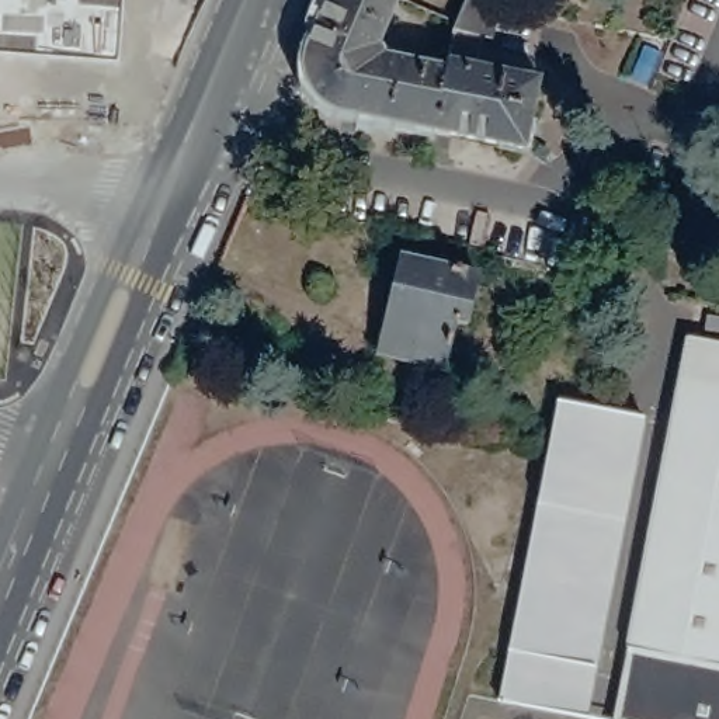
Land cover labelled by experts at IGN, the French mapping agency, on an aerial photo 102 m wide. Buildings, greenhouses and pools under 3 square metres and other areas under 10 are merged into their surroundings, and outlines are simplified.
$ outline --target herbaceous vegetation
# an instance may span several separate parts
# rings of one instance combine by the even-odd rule
[[[452,34],[463,0],[396,0],[393,14],[399,22],[390,22],[385,34],[390,48],[427,56],[458,53],[472,59],[489,59],[497,84],[506,65],[525,67],[528,53],[522,48],[522,37],[497,31],[492,39]]]
[[[438,494],[447,520],[458,536],[463,559],[463,621],[433,719],[514,719],[522,708],[500,705],[500,685],[545,461],[534,458],[525,463],[525,458],[511,452],[480,452],[455,444],[418,444],[410,433],[402,430],[399,418],[385,418],[379,427],[371,430],[385,447],[390,447],[404,463],[410,463]]]
[[[494,152],[475,143],[449,143],[449,157],[455,160],[455,169],[486,177],[517,180],[528,171],[531,160],[511,149]]]
[[[65,242],[45,227],[34,227],[20,329],[22,345],[34,345],[34,340],[39,340],[59,284],[67,272]]]
[[[379,357],[385,371],[393,374],[396,404],[404,404],[407,382],[416,374],[413,362],[396,362],[385,351]]]
[[[680,202],[680,222],[674,230],[677,256],[666,261],[663,281],[652,278],[652,272],[643,267],[635,270],[629,275],[629,289],[640,295],[640,323],[646,331],[654,334],[652,312],[657,312],[657,303],[652,298],[652,289],[677,284],[682,278],[682,264],[705,264],[719,256],[719,213],[711,211],[699,194],[694,194],[685,185],[685,171],[668,154],[663,157],[663,163],[668,191]]]
[[[559,399],[590,402],[593,393],[584,393],[579,385],[567,382],[573,368],[565,362],[565,351],[550,354],[522,382],[506,382],[503,390],[508,396],[525,393],[531,404],[542,407],[539,418],[550,427]]]
[[[368,281],[357,261],[357,247],[368,244],[365,219],[360,219],[354,230],[345,236],[326,233],[312,244],[286,247],[289,227],[284,222],[253,219],[250,211],[261,202],[247,197],[230,233],[227,250],[222,256],[222,270],[233,272],[236,284],[244,292],[261,292],[272,306],[278,306],[278,312],[295,323],[303,340],[298,348],[292,348],[286,362],[301,371],[343,374],[345,368],[371,365],[376,354],[388,295],[402,250],[418,250],[430,256],[444,256],[452,264],[466,264],[469,244],[461,236],[447,236],[441,230],[430,242],[393,239],[388,247],[382,247],[376,275]],[[301,272],[306,261],[320,261],[334,270],[340,292],[331,303],[317,306],[303,292]]]
[[[573,34],[579,51],[579,56],[573,59],[576,67],[584,62],[587,67],[624,81],[626,73],[618,70],[618,65],[626,48],[635,37],[646,42],[652,31],[640,20],[643,14],[649,14],[649,6],[643,6],[646,0],[570,0],[570,6],[579,8],[579,17],[553,17],[545,25],[548,31]]]
[[[522,298],[548,298],[550,286],[542,284],[542,278],[548,270],[556,267],[556,258],[550,258],[539,256],[528,264],[525,253],[511,253],[508,258],[503,258],[514,270],[522,270],[522,275],[514,284],[494,289],[492,284],[477,278],[477,289],[472,295],[472,317],[463,329],[458,329],[458,337],[447,357],[455,368],[455,376],[472,379],[477,374],[477,360],[497,357],[506,348],[500,340],[500,306],[508,306]]]
[[[76,621],[70,626],[70,635],[62,646],[62,654],[53,666],[53,674],[48,680],[48,688],[34,719],[48,719],[51,699],[62,682],[73,646],[93,609],[95,593],[124,536],[126,520],[146,483],[149,466],[154,461],[154,452],[171,416],[177,413],[188,424],[199,424],[191,449],[199,449],[222,433],[253,424],[264,410],[244,407],[239,402],[222,404],[213,396],[205,396],[197,388],[194,376],[171,385],[169,402],[143,452],[138,475],[126,492],[118,522],[107,539],[101,562],[93,573],[87,595],[76,612]]]
[[[253,309],[244,309],[242,317],[230,326],[185,317],[174,340],[177,345],[185,345],[188,360],[199,357],[208,348],[205,337],[227,337],[244,348],[244,371],[253,371],[258,365],[261,351],[267,348],[275,334],[258,320],[258,315]]]

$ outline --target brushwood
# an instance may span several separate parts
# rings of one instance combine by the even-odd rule
[[[500,418],[489,418],[483,427],[469,427],[455,444],[480,452],[511,452],[514,438],[500,430]]]

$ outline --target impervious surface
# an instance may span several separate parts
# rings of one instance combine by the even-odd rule
[[[121,6],[126,8],[126,28],[115,34],[118,59],[104,62],[48,56],[48,67],[42,67],[37,79],[37,98],[70,98],[67,110],[79,112],[76,118],[67,118],[67,126],[59,135],[59,143],[70,152],[70,160],[51,166],[51,171],[39,177],[22,174],[20,169],[0,169],[0,719],[34,719],[48,688],[48,680],[53,674],[53,666],[62,654],[62,646],[70,635],[70,626],[76,621],[76,612],[87,595],[93,573],[101,562],[107,539],[118,522],[126,492],[138,475],[143,452],[169,402],[171,385],[166,382],[163,371],[169,371],[174,362],[169,345],[174,340],[185,317],[188,301],[202,301],[213,289],[233,289],[236,284],[233,272],[222,270],[222,256],[227,250],[230,233],[247,197],[244,163],[250,160],[253,149],[278,149],[284,140],[295,140],[303,104],[295,93],[298,45],[309,34],[309,0],[121,0]],[[20,329],[34,227],[45,227],[65,242],[67,272],[59,284],[39,340],[34,340],[34,345],[22,345]]]
[[[410,463],[404,463],[390,447],[385,447],[371,430],[329,427],[323,418],[312,421],[298,404],[281,407],[275,413],[264,410],[253,424],[222,433],[199,449],[191,449],[199,424],[188,424],[177,413],[171,416],[154,452],[154,461],[149,466],[146,483],[126,520],[124,536],[95,593],[93,609],[73,646],[62,682],[51,699],[48,719],[433,719],[463,621],[463,559],[458,536],[447,520],[438,494]]]
[[[674,28],[668,34],[652,31],[646,42],[663,45],[649,84],[635,87],[624,81],[587,67],[584,62],[576,67],[573,59],[579,56],[579,51],[573,34],[548,31],[545,25],[522,28],[522,37],[522,48],[528,53],[525,67],[542,73],[542,93],[536,95],[539,110],[531,118],[528,138],[522,140],[534,149],[531,160],[528,171],[517,180],[486,177],[455,169],[455,160],[449,157],[449,143],[449,138],[427,138],[435,152],[433,171],[413,169],[410,154],[390,154],[388,143],[376,138],[368,140],[365,160],[371,169],[371,194],[357,199],[360,219],[365,219],[368,211],[385,211],[388,205],[393,205],[399,216],[421,219],[421,225],[433,225],[441,230],[447,236],[461,236],[469,244],[486,242],[489,247],[497,247],[503,258],[508,258],[511,253],[525,253],[528,264],[539,256],[550,258],[556,242],[565,239],[573,244],[579,239],[581,216],[590,208],[576,208],[576,197],[595,183],[595,174],[601,169],[615,163],[663,163],[663,157],[668,154],[668,138],[674,138],[682,129],[685,118],[694,110],[719,104],[719,0],[682,0]],[[576,149],[573,143],[562,143],[562,124],[553,115],[553,107],[584,110],[587,104],[593,104],[598,112],[607,112],[609,118],[612,143],[607,149]]]
[[[609,618],[604,629],[601,666],[595,674],[590,702],[595,713],[612,716],[682,345],[685,337],[699,337],[708,329],[708,317],[719,317],[719,312],[702,309],[702,301],[680,298],[677,284],[652,289],[652,298],[657,303],[657,312],[652,312],[654,334],[652,362],[640,371],[635,382],[635,390],[624,402],[612,399],[607,407],[621,407],[646,416],[646,438],[632,492]]]

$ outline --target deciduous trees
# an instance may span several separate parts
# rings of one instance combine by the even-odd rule
[[[719,312],[719,256],[705,264],[682,264],[682,278],[677,284],[680,298],[702,301],[702,309]]]
[[[584,393],[593,393],[590,402],[607,407],[612,399],[624,402],[635,390],[635,382],[621,368],[601,365],[601,348],[579,340],[579,323],[584,317],[590,317],[615,295],[624,295],[629,289],[629,275],[635,270],[643,267],[652,272],[652,278],[663,281],[666,261],[677,256],[674,230],[680,222],[680,202],[668,191],[663,163],[615,163],[601,169],[595,174],[595,183],[576,197],[576,208],[590,208],[581,216],[579,239],[573,244],[565,239],[556,242],[550,258],[556,258],[556,267],[548,270],[542,278],[542,284],[550,286],[548,298],[522,298],[508,306],[500,306],[500,340],[506,348],[497,357],[477,360],[477,374],[472,379],[455,376],[455,368],[447,357],[413,362],[416,374],[407,382],[404,404],[396,404],[393,374],[385,371],[379,357],[376,354],[371,365],[345,368],[343,374],[301,371],[303,382],[295,393],[298,404],[312,421],[323,418],[329,427],[371,430],[379,427],[385,418],[399,418],[402,430],[410,433],[418,444],[455,444],[469,427],[483,427],[489,418],[500,418],[500,430],[514,438],[511,452],[525,458],[525,463],[534,458],[545,461],[550,427],[539,418],[542,407],[531,404],[525,393],[508,396],[503,390],[506,382],[522,382],[550,354],[565,351],[565,362],[573,368],[567,382],[579,385]]]
[[[286,247],[312,244],[326,233],[345,236],[354,230],[360,219],[357,199],[371,194],[371,169],[365,160],[368,140],[365,132],[337,132],[320,118],[317,110],[303,104],[295,140],[284,140],[278,149],[253,149],[250,160],[244,163],[247,197],[261,202],[250,211],[253,219],[284,222],[289,227]]]
[[[388,143],[390,154],[410,154],[413,169],[433,171],[435,152],[427,138],[399,135]]]
[[[171,385],[194,376],[197,388],[205,396],[213,396],[222,404],[239,402],[239,396],[247,393],[253,385],[253,371],[244,371],[244,348],[227,337],[205,337],[208,348],[199,357],[188,360],[185,345],[177,345],[174,340],[169,345],[174,362],[169,371],[163,371],[166,382]]]
[[[393,205],[388,205],[385,211],[368,211],[365,219],[368,244],[357,247],[357,261],[368,281],[376,275],[382,247],[388,247],[393,239],[430,242],[441,230],[433,225],[421,225],[421,219],[399,216]]]
[[[301,272],[303,292],[317,306],[331,303],[340,292],[334,270],[320,261],[306,261]]]
[[[278,362],[286,362],[292,348],[298,348],[303,340],[295,323],[278,312],[278,306],[272,306],[258,315],[258,320],[275,334],[267,348],[275,351]]]
[[[626,48],[618,65],[618,70],[626,73],[624,81],[635,87],[649,84],[663,45],[646,42],[635,37]]]
[[[514,284],[522,275],[522,270],[514,270],[503,258],[497,247],[489,247],[486,242],[469,244],[466,264],[480,270],[477,278],[492,284],[494,289]]]
[[[570,0],[472,0],[486,28],[497,31],[522,37],[522,28],[545,25],[553,17],[579,17],[579,8],[570,6]]]
[[[643,6],[649,6],[649,14],[643,14],[640,20],[652,31],[668,34],[674,28],[682,0],[646,0]]]

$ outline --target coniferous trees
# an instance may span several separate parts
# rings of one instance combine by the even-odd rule
[[[624,295],[615,295],[590,317],[584,317],[579,323],[579,340],[601,348],[601,365],[621,368],[635,382],[640,371],[652,362],[654,334],[646,331],[640,323],[640,295],[629,289]]]
[[[233,289],[213,289],[202,301],[188,301],[185,317],[230,326],[242,317],[244,309],[253,309],[258,315],[272,306],[261,292],[244,292],[236,284]]]
[[[264,410],[275,413],[281,407],[298,404],[295,393],[303,382],[301,371],[286,362],[278,362],[275,351],[267,348],[261,351],[258,365],[253,371],[253,385],[247,393],[239,396],[239,402],[244,407]]]
[[[694,110],[685,118],[682,129],[674,138],[668,138],[668,154],[685,171],[685,185],[694,194],[699,194],[711,211],[719,213],[719,104]]]
[[[609,118],[607,112],[598,112],[593,104],[587,104],[584,110],[553,107],[553,115],[562,124],[562,143],[573,143],[576,149],[607,149],[612,143]]]

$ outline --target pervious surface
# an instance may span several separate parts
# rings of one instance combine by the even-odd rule
[[[48,67],[48,56],[0,51],[0,169],[20,169],[22,174],[39,177],[51,171],[51,166],[70,160],[70,152],[59,143],[59,135],[67,126],[67,118],[76,118],[79,112],[67,110],[70,98],[37,98],[37,79],[42,67]]]

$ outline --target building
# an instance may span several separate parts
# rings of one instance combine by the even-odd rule
[[[121,6],[121,0],[0,0],[0,51],[48,56],[104,62],[118,59],[115,34],[126,28],[126,8]]]
[[[480,270],[466,264],[452,264],[444,256],[430,256],[418,250],[402,250],[388,295],[376,354],[379,357],[385,351],[396,362],[413,362],[447,357],[458,337],[458,329],[463,329],[472,317],[472,295],[477,289],[477,278]]]
[[[497,84],[489,59],[472,59],[458,53],[427,56],[390,48],[385,34],[390,22],[399,22],[393,14],[396,0],[309,0],[309,34],[298,45],[295,93],[303,104],[317,110],[320,118],[337,132],[365,132],[368,140],[376,138],[388,143],[399,135],[427,138],[449,138],[449,143],[475,143],[494,152],[511,149],[531,160],[534,149],[522,140],[528,138],[531,118],[539,110],[536,95],[542,93],[542,73],[525,67],[506,65]]]
[[[492,39],[497,31],[486,28],[472,0],[463,0],[452,34]]]
[[[682,345],[612,716],[595,713],[590,702],[595,674],[601,666],[604,629],[609,618],[632,492],[646,438],[646,416],[621,407],[607,407],[590,402],[559,399],[550,427],[545,461],[500,685],[500,705],[522,708],[514,719],[719,719],[719,317],[708,317],[708,329],[699,337],[685,337]]]

